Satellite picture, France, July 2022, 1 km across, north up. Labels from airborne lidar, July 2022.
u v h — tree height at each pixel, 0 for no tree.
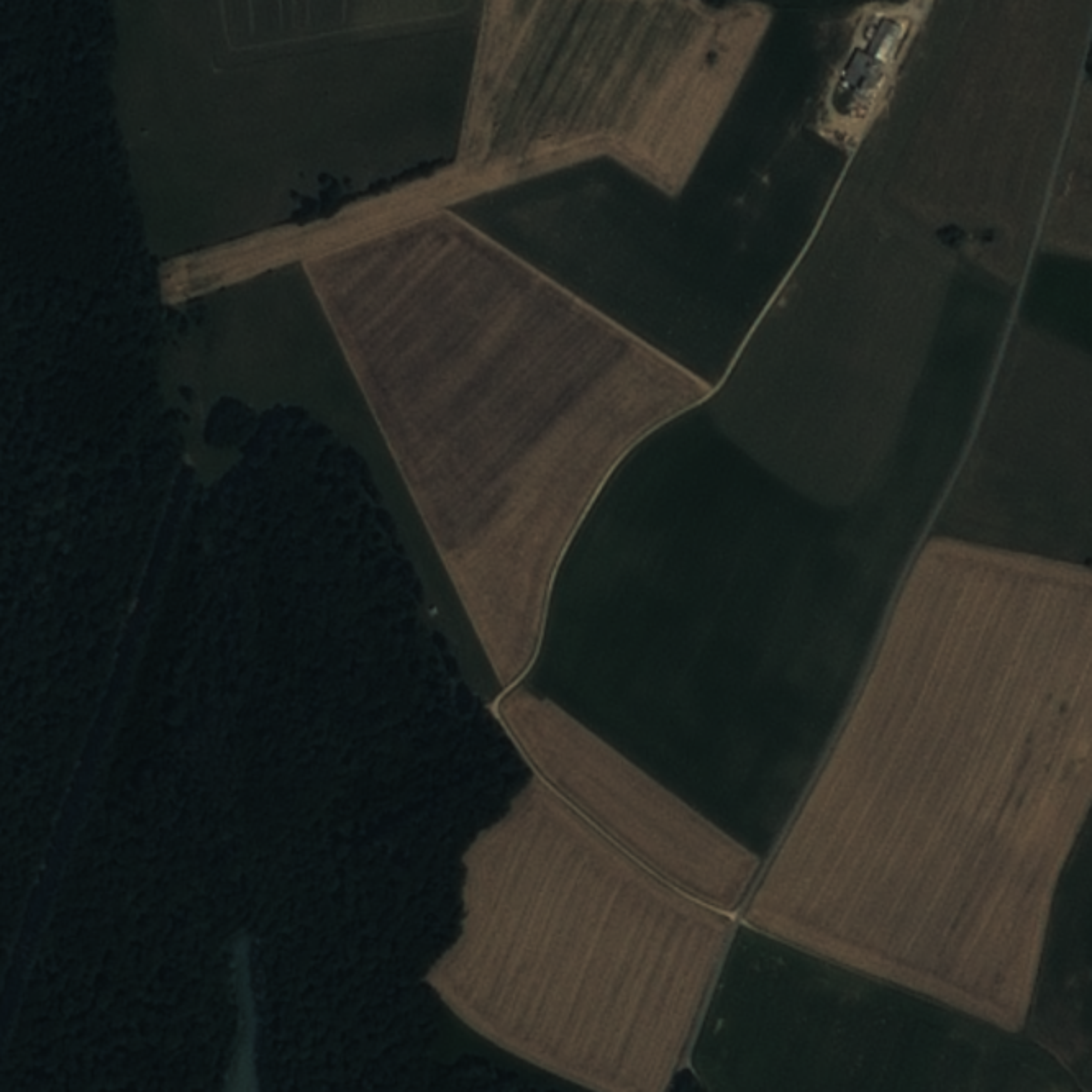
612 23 0
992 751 0
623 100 0
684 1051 0
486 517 0
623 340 0
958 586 0
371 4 0
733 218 0
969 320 0
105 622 21
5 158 15
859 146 0
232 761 36
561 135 0
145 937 22
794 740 0
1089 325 0
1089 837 0
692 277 0
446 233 0
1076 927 0
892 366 0
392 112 0
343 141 0
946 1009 0
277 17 0
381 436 0
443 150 0
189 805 21
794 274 0
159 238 0
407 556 8
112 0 27
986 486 0
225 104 0
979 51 0
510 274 0
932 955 0
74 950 23
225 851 25
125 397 19
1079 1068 0
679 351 0
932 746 0
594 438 0
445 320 0
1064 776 0
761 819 0
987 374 0
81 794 28
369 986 22
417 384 0
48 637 21
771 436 0
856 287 0
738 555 0
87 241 16
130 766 8
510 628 0
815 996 0
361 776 20
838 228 0
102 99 18
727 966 0
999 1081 0
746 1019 0
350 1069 20
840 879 0
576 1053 0
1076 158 0
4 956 23
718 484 0
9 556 16
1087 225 0
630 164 0
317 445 28
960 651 0
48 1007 22
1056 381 0
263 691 24
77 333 19
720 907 0
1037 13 0
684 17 0
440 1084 14
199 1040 23
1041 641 0
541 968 0
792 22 0
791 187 0
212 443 13
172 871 25
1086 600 0
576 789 0
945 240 6
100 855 17
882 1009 0
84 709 18
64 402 21
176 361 0
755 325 0
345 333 0
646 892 0
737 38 0
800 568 0
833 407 0
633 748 0
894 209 0
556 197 0
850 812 0
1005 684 0
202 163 0
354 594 29
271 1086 16
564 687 0
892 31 0
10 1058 21
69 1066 22
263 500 21
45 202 17
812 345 0
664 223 0
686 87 0
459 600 0
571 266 0
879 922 0
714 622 0
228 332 0
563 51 0
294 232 0
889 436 0
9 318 21
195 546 23
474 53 0
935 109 0
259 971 19
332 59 0
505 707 0
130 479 26
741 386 0
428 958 18
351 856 22
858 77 0
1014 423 0
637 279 0
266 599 13
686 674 0
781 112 0
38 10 20
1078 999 0
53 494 24
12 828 18
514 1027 0
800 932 0
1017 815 0
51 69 17
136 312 21
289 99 0
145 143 0
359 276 0
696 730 0
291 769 27
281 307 0
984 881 0
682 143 0
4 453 16
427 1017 16
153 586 28
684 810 0
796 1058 0
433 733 22
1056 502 0
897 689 0
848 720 0
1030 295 0
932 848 0
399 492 0
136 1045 20
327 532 25
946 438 0
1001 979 0
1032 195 0
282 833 18
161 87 0
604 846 0
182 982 16
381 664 23
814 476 0
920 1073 0
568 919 0
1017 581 0
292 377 0
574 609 0
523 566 0
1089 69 9
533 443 0
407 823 24
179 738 24
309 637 20
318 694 18
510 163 0
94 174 13
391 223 0
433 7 0
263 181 0
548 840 0
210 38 0
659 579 0
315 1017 25
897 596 0
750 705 0
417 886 19
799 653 0
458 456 0
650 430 0
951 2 0
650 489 0
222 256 0
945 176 0
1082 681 0
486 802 24
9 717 24
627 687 0
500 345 0
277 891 26
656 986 0
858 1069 0
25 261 14
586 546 0
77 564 21
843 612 0
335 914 23
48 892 22
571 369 0
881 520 0
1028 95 0
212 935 23
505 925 0
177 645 8
